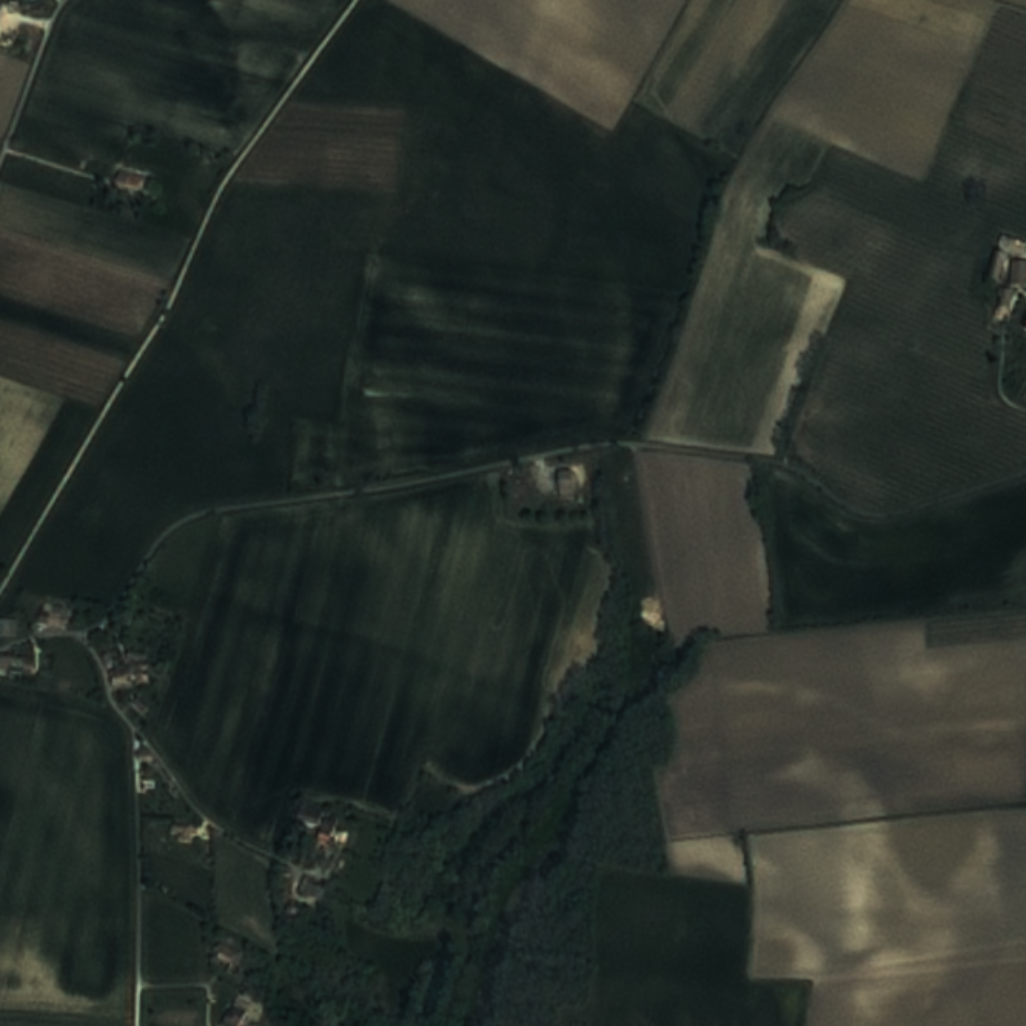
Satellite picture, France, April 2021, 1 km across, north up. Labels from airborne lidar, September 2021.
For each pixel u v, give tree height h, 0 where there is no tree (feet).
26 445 0
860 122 0
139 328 0
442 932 0
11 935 0
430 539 0
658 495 0
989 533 0
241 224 0
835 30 0
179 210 0
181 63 0
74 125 0
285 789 0
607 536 54
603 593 0
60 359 0
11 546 0
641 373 0
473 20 0
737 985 0
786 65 0
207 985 0
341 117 0
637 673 0
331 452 0
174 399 0
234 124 0
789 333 0
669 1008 0
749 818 0
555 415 0
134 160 0
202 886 0
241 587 0
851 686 0
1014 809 0
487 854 99
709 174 0
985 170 0
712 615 0
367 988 40
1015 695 0
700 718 0
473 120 0
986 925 0
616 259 0
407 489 0
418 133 0
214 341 0
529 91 0
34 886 0
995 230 0
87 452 0
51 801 0
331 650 0
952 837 0
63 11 0
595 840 58
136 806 0
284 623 0
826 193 0
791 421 42
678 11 0
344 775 0
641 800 58
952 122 0
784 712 0
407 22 0
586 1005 50
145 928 0
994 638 0
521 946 42
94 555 0
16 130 0
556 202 0
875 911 0
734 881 0
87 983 0
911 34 0
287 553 0
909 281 0
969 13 0
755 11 0
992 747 0
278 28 0
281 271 0
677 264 0
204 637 0
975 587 0
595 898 35
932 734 0
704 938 0
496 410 0
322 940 42
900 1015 0
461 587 0
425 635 0
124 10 0
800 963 0
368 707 0
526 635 0
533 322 0
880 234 0
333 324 0
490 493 0
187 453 0
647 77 0
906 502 0
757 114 0
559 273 0
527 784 51
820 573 0
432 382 0
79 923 0
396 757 0
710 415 0
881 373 0
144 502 0
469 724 0
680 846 0
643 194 0
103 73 0
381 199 0
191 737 0
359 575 0
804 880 0
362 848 0
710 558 0
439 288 0
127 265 0
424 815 27
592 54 0
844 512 27
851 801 0
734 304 0
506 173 0
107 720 0
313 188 0
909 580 0
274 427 0
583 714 89
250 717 0
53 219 0
